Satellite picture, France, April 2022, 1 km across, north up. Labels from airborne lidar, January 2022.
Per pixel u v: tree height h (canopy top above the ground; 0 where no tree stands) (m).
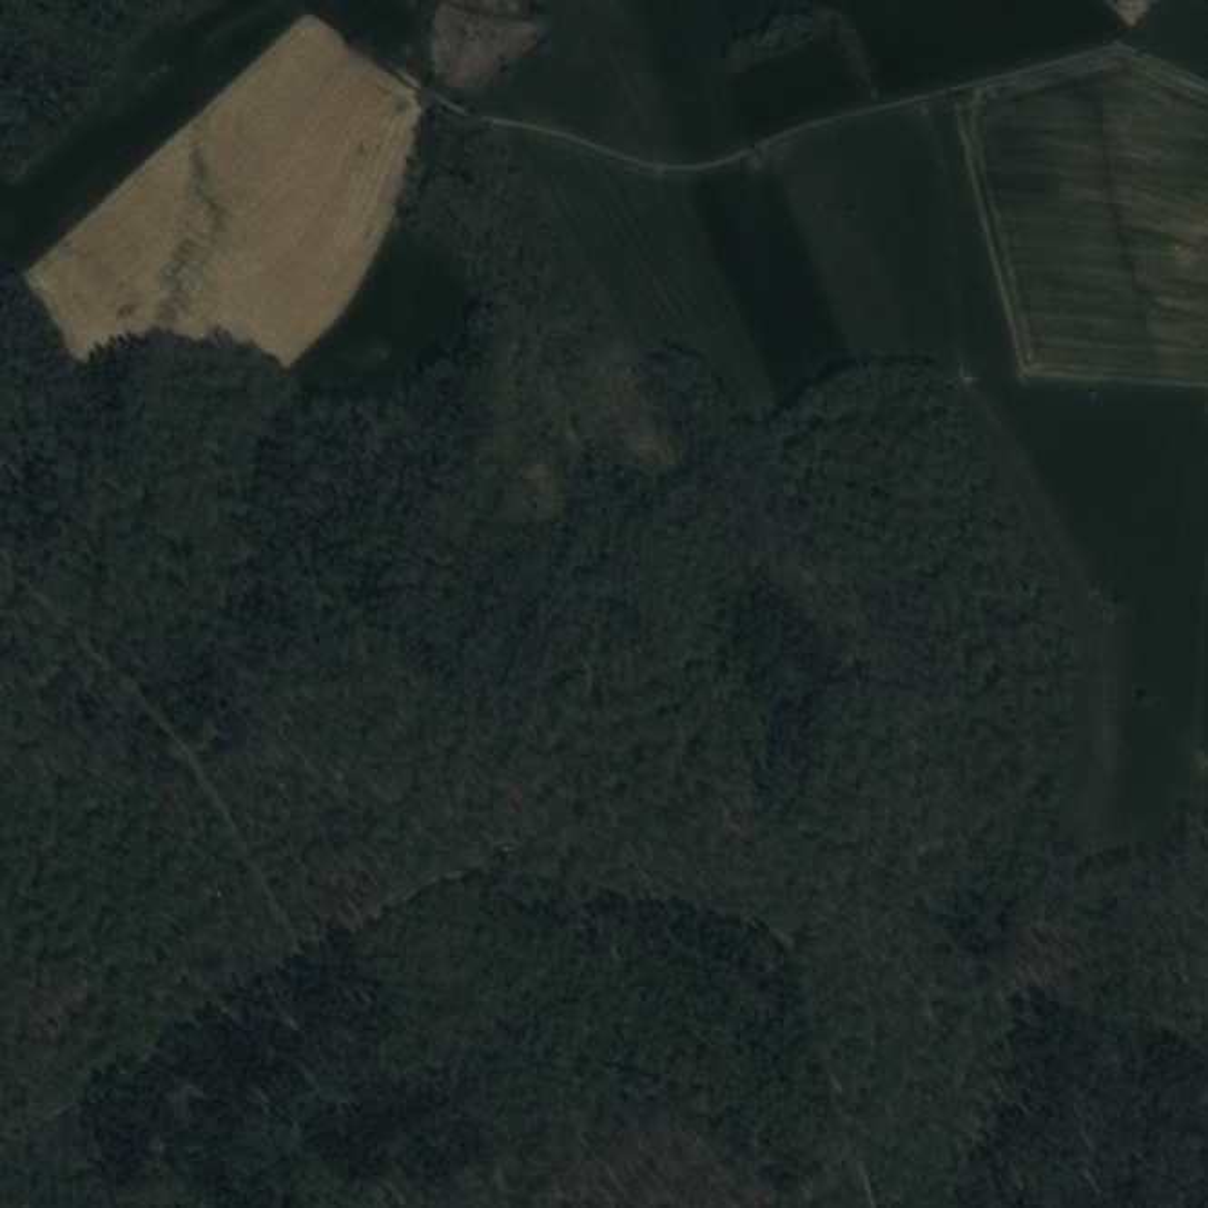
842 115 0
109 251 0
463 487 25
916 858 25
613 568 21
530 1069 22
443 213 16
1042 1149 25
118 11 24
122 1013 18
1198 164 0
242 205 0
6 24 23
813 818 24
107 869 25
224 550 26
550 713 31
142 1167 22
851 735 25
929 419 18
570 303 12
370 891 29
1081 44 0
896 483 25
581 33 0
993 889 26
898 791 26
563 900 23
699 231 0
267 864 23
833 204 0
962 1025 30
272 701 28
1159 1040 24
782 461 27
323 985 29
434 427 20
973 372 0
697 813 26
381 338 0
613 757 26
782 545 28
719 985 25
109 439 24
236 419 27
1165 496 0
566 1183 28
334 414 27
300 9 0
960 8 0
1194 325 0
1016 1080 21
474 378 20
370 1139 26
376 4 0
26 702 27
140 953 23
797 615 28
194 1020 23
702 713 28
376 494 29
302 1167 25
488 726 26
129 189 0
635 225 0
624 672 26
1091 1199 26
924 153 0
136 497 30
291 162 0
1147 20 0
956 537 25
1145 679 0
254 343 0
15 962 22
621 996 21
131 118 0
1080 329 0
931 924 26
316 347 0
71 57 19
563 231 0
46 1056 27
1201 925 28
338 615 9
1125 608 15
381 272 0
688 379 27
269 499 26
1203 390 0
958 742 21
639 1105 22
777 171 0
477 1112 25
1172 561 0
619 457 0
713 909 26
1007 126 0
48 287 0
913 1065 28
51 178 0
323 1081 23
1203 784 0
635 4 0
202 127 0
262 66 0
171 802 30
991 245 0
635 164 0
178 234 0
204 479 27
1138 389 0
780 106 0
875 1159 27
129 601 29
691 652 31
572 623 30
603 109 0
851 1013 25
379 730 28
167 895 24
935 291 0
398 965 22
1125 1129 20
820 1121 9
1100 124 0
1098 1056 21
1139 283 0
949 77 0
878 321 0
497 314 19
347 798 26
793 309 0
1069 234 0
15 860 25
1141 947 22
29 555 25
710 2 0
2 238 0
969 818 27
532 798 23
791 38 20
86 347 0
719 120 0
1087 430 0
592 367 0
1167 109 0
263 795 26
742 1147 23
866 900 25
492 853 23
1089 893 27
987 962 29
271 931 25
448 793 31
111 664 25
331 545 22
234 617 9
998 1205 26
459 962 16
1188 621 0
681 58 0
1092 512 0
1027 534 22
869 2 0
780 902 25
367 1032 19
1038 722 23
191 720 26
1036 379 0
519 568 28
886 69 0
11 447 26
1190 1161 24
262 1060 24
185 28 0
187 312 0
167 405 25
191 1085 29
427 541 27
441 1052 21
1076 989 28
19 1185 24
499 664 26
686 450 21
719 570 25
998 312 0
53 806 26
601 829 28
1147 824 0
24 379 29
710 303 0
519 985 18
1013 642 28
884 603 25
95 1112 22
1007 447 0
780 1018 11
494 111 0
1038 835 28
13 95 27
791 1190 21
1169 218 0
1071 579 0
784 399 0
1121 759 0
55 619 23
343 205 0
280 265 0
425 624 24
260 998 25
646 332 0
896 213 0
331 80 0
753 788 24
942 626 25
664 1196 30
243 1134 27
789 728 26
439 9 0
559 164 0
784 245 0
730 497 26
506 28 0
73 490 19
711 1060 23
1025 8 0
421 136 13
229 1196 19
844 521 28
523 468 0
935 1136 31
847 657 20
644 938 21
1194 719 0
